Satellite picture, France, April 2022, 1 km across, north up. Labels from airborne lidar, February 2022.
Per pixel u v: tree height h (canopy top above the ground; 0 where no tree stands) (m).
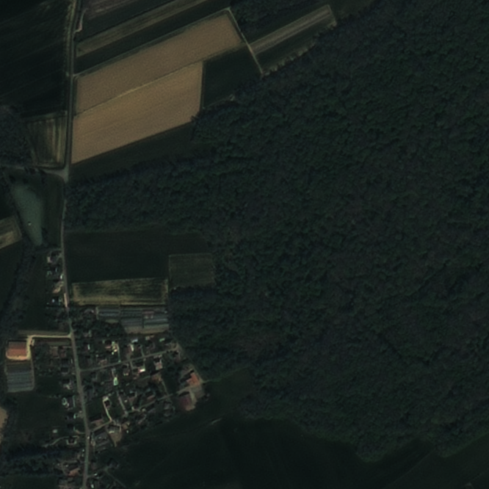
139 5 0
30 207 0
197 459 0
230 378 0
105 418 8
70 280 0
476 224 24
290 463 0
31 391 0
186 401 0
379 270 24
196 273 0
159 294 0
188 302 27
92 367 0
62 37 0
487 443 0
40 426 0
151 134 0
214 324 32
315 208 23
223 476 0
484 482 0
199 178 19
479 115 21
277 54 0
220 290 16
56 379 0
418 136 23
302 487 0
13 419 19
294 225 23
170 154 0
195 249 0
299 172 20
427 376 26
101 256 0
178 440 0
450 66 23
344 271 28
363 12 0
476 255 21
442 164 29
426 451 0
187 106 0
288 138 24
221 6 0
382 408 27
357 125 20
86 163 0
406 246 25
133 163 0
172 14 0
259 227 29
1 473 16
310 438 0
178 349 0
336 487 0
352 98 25
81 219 25
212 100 0
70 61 0
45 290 0
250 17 17
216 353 27
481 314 26
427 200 25
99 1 0
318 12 0
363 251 27
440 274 17
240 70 0
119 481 0
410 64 29
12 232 0
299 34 0
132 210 25
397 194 28
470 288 29
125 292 0
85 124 0
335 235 24
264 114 21
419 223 27
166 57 0
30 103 0
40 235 0
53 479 0
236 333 6
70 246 0
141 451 0
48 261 0
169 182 21
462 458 0
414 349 22
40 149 0
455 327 22
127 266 0
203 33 0
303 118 27
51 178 0
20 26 0
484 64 27
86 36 0
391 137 25
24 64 0
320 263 24
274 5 24
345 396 23
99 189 14
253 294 29
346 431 23
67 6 0
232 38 0
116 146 0
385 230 28
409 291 26
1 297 0
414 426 27
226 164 20
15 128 24
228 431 0
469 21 25
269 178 28
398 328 25
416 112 25
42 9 0
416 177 26
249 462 0
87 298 0
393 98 25
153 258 0
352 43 31
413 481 0
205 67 0
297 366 31
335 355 32
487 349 20
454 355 26
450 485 0
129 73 0
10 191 24
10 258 0
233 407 0
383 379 25
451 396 24
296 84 19
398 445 20
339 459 0
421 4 28
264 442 0
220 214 29
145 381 0
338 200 24
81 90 0
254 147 25
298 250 29
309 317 25
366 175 25
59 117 0
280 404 23
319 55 26
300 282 24
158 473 0
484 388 27
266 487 0
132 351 0
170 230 6
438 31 23
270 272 22
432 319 23
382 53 27
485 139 22
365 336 25
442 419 28
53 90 0
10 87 0
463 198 25
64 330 0
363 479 0
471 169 14
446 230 27
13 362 0
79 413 0
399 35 31
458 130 29
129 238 0
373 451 25
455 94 22
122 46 0
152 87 0
